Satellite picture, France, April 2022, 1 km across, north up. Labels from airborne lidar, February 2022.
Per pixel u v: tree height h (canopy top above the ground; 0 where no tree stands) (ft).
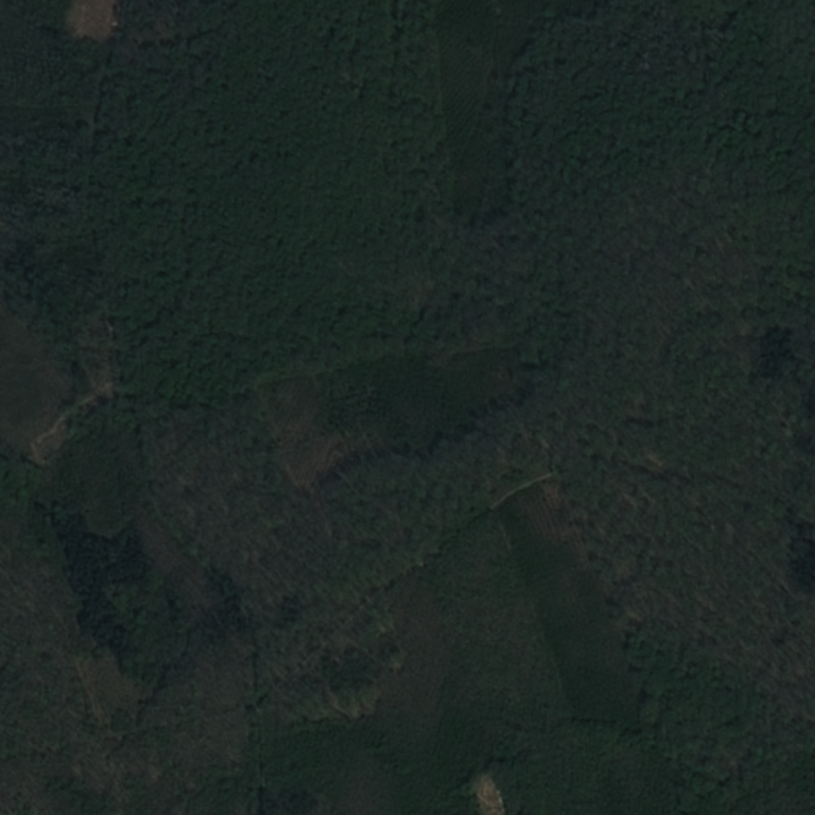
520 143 96
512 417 102
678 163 92
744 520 80
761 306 85
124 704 0
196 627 65
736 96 80
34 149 88
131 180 78
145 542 77
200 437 80
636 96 77
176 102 74
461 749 37
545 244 93
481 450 101
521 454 91
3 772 66
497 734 45
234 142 63
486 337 98
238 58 67
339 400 36
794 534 91
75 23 34
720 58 79
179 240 71
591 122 74
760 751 79
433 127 98
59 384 0
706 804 73
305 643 65
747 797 33
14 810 72
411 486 101
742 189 101
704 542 94
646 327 92
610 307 99
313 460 0
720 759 101
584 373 98
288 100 61
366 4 73
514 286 94
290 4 72
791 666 86
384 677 55
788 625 94
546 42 81
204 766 62
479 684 55
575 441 94
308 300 69
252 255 83
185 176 81
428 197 96
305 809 104
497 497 35
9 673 37
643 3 80
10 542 64
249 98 70
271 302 77
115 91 72
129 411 47
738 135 72
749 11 77
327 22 72
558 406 100
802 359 92
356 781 40
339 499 98
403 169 91
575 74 64
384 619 91
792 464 96
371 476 100
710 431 94
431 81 92
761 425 92
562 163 87
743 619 90
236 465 103
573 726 53
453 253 99
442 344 77
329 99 68
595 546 86
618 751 57
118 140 82
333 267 81
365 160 81
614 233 94
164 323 73
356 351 84
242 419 91
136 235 66
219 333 69
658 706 101
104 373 93
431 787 30
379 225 72
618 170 80
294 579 93
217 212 61
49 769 65
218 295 83
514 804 81
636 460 72
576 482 84
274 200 72
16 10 70
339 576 99
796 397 100
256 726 25
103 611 81
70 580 55
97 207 81
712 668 77
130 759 51
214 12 63
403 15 75
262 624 86
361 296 83
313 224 69
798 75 82
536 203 79
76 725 64
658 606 86
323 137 67
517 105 73
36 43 65
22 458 84
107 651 75
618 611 88
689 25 77
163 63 94
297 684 83
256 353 69
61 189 26
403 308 105
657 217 94
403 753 35
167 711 59
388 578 92
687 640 90
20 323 94
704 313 94
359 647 63
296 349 83
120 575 81
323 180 73
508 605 55
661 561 92
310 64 77
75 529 82
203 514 82
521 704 62
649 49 74
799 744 71
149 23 77
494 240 92
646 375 80
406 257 100
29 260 75
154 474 88
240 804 68
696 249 99
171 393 75
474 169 29
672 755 88
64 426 85
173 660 37
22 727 75
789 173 70
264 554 98
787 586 95
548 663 56
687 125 71
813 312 65
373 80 73
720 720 83
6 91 22
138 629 43
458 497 97
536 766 75
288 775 68
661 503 95
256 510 106
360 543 94
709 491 99
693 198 92
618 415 92
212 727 66
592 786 53
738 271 119
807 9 107
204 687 64
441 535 92
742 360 93
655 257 77
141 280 88
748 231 95
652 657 70
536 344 95
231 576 75
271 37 73
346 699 93
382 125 73
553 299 91
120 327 79
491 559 57
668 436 86
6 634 78
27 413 0
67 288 23
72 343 32
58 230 100
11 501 79
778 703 73
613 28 85
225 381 74
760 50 86
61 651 81
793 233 97
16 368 0
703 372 87
